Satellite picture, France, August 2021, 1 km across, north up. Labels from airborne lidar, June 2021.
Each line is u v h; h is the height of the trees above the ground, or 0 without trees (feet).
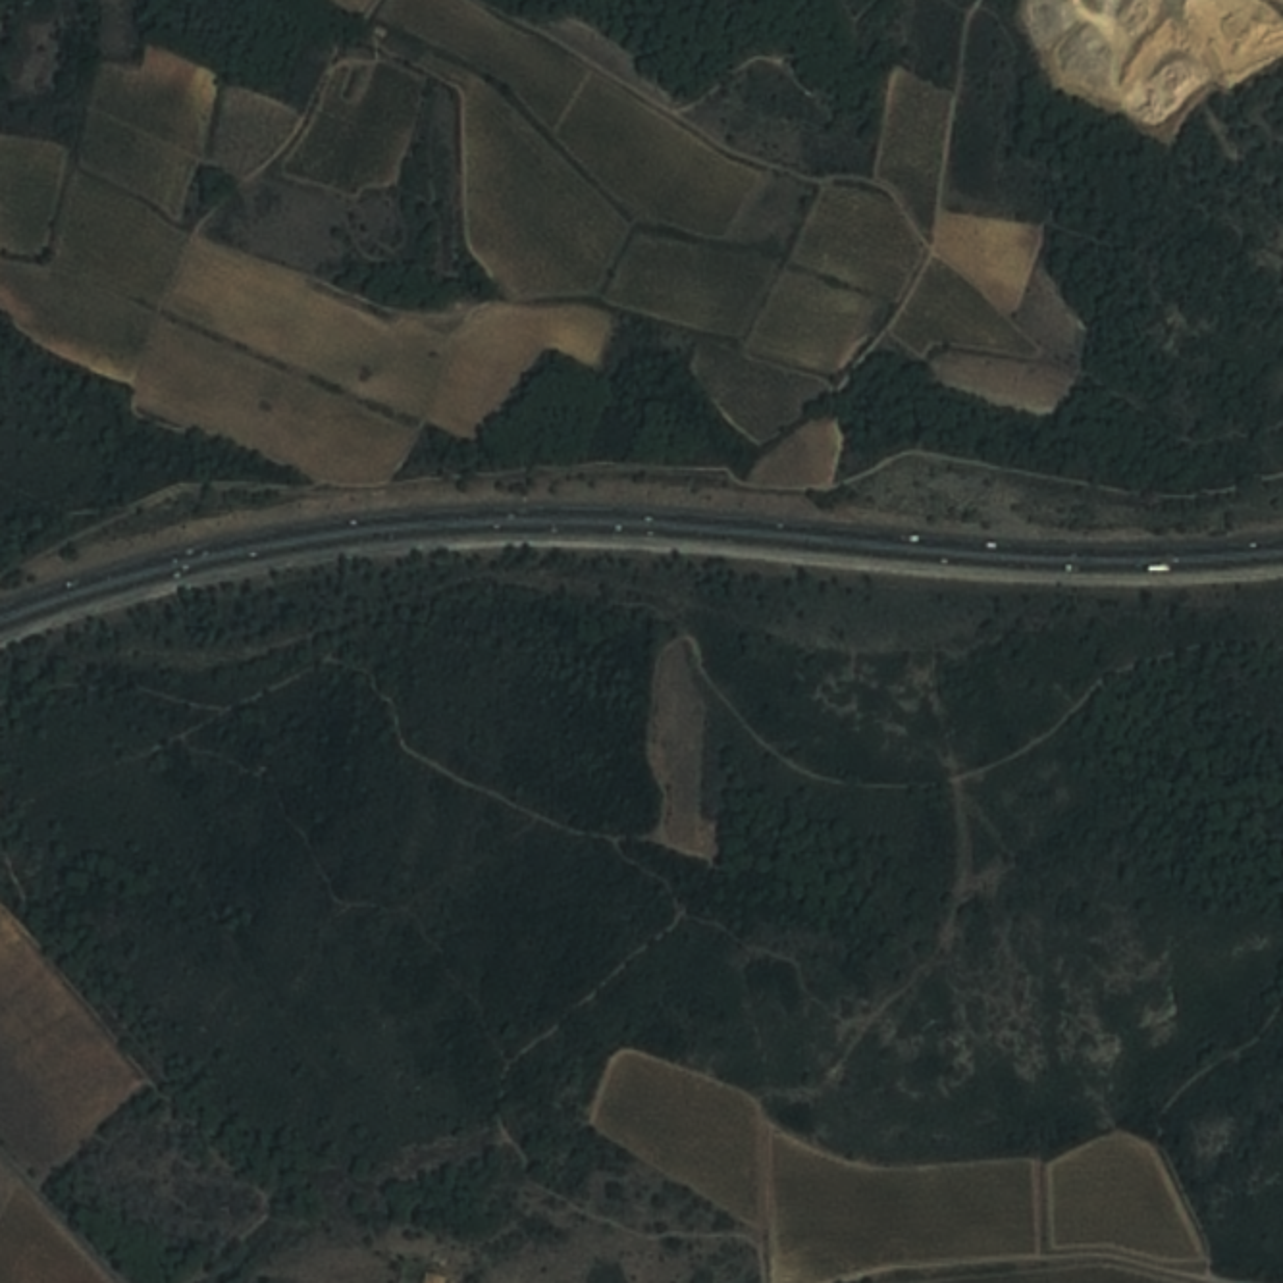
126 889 48
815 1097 0
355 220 23
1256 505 0
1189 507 25
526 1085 23
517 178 0
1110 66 0
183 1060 26
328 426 0
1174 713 33
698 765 0
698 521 0
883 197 0
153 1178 0
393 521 0
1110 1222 0
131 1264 43
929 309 0
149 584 0
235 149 0
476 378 0
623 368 23
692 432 27
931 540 0
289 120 0
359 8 0
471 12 0
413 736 21
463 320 0
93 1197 32
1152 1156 0
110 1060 0
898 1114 0
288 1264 0
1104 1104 0
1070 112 30
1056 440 27
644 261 0
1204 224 20
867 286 0
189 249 0
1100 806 19
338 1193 0
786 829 26
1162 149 28
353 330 0
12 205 0
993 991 0
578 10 27
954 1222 0
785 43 34
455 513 0
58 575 0
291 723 23
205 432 27
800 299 0
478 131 0
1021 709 0
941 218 0
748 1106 0
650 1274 0
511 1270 0
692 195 0
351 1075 0
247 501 20
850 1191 0
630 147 0
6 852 32
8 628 0
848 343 0
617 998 19
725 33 25
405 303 39
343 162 0
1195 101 0
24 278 0
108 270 0
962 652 0
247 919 39
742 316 0
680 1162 0
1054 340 0
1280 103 28
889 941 29
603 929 20
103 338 0
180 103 0
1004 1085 0
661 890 34
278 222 0
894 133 0
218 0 22
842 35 33
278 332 0
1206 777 41
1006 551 0
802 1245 0
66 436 29
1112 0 0
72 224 0
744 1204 0
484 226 0
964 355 0
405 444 0
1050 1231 0
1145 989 0
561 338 0
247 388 0
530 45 0
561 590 17
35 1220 0
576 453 30
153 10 37
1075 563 0
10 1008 0
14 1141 0
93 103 0
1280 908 22
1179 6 0
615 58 0
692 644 0
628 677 48
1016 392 0
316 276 0
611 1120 0
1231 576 0
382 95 0
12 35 32
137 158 0
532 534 0
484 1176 31
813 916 29
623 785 19
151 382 0
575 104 0
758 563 0
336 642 36
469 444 30
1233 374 25
